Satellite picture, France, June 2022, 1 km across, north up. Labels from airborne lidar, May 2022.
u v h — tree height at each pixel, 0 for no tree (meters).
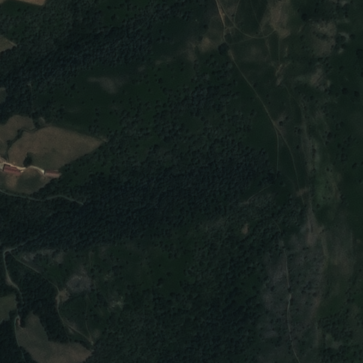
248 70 0
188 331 14
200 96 17
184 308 11
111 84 0
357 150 0
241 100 0
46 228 9
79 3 8
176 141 17
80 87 0
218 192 10
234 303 21
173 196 14
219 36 0
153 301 13
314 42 0
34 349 0
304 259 8
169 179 18
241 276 17
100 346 10
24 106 11
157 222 11
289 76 0
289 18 0
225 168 16
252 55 0
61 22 11
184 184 17
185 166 12
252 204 8
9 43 0
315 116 0
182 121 0
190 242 0
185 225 7
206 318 22
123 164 14
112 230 13
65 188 11
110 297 0
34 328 0
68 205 20
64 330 6
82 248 9
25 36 11
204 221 0
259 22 0
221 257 12
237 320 12
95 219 27
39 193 8
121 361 18
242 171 16
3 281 10
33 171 0
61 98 0
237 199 9
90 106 0
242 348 7
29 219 14
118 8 9
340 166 0
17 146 0
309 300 0
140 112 14
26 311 10
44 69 10
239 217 8
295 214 12
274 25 0
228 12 0
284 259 0
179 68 0
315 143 0
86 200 14
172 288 0
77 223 20
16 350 18
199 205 12
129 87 0
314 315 0
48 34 11
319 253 0
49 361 0
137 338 17
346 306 9
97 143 0
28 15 10
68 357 0
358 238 0
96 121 10
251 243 11
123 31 14
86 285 0
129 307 13
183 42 0
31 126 0
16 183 0
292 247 0
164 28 0
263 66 0
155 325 19
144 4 0
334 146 0
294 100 0
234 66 0
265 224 17
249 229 8
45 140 0
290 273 7
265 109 0
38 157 0
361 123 0
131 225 15
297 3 0
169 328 10
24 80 15
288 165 0
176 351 17
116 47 8
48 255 8
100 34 16
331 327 14
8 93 15
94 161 9
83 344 15
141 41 14
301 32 0
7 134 0
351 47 0
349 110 0
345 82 0
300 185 0
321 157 0
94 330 0
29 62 26
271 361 0
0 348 18
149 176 15
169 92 11
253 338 8
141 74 5
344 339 12
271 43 0
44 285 17
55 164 0
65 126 0
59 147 0
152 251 0
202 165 13
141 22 14
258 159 13
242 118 10
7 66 19
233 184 11
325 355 11
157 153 17
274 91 0
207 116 0
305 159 0
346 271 0
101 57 11
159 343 11
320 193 0
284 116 0
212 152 13
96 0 9
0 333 9
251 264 15
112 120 0
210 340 11
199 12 0
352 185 0
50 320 22
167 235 8
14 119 0
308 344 0
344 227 0
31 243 12
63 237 18
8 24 12
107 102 0
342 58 0
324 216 0
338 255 0
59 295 0
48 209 20
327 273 0
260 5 0
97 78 0
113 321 13
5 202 11
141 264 7
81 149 0
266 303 0
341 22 0
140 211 22
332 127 0
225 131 11
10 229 24
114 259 9
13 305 0
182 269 0
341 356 14
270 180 18
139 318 18
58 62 15
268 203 9
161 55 0
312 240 0
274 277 0
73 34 14
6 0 0
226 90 13
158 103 14
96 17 17
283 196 0
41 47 16
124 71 0
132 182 14
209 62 12
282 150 0
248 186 11
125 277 0
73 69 7
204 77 16
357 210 0
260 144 0
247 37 0
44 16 16
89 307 0
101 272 10
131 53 10
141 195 13
